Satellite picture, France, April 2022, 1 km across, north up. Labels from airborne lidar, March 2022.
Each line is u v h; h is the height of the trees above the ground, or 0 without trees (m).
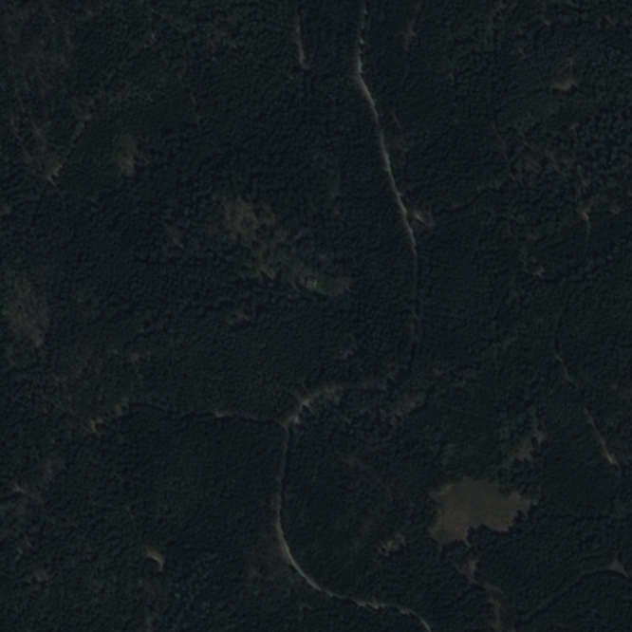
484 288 23
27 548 22
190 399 26
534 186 28
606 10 30
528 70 24
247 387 25
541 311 29
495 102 24
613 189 30
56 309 26
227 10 8
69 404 22
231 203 18
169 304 23
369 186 16
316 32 17
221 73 26
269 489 24
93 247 26
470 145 25
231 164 24
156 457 17
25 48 20
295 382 26
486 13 26
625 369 16
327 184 32
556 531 27
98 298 29
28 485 21
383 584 17
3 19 24
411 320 30
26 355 10
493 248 20
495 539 29
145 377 20
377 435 28
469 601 24
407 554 26
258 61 26
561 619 25
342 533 18
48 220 30
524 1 9
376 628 22
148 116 13
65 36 21
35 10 21
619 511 23
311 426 22
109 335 24
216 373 24
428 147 22
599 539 22
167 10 27
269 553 22
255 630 20
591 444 21
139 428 32
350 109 18
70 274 26
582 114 11
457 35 26
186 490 19
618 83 28
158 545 26
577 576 24
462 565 29
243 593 17
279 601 14
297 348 30
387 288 26
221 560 19
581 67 21
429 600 19
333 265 25
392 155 13
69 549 26
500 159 31
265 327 28
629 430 18
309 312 28
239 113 23
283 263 34
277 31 30
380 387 23
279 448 23
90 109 16
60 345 20
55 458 23
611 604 27
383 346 28
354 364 33
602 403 22
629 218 10
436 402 23
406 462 23
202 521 21
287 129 29
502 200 24
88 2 22
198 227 33
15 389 23
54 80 22
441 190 29
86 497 23
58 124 21
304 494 25
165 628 17
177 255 33
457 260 22
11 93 22
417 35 16
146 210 31
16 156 17
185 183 21
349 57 14
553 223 33
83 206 14
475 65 20
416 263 26
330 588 16
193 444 22
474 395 14
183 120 14
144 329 23
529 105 23
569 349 29
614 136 29
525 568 27
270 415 27
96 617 27
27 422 23
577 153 22
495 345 27
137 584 15
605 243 13
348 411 24
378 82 15
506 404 11
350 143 23
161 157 28
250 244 11
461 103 23
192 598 26
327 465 24
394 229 22
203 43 13
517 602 22
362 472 24
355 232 24
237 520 18
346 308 27
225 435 25
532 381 15
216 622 18
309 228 21
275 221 25
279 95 26
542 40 26
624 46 18
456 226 22
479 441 13
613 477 23
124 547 30
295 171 42
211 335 27
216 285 26
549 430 24
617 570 0
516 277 17
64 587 23
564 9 18
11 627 21
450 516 0
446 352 20
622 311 18
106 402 19
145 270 31
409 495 22
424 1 19
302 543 20
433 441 12
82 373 22
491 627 21
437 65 24
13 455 26
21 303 25
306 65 14
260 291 33
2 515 24
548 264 9
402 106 18
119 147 16
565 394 26
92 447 27
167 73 12
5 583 20
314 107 30
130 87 14
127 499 34
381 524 19
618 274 19
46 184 20
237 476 23
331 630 23
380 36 11
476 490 0
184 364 25
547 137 18
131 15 25
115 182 12
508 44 14
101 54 23
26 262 24
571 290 26
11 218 0
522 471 24
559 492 20
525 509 0
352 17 16
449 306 23
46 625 25
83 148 10
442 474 19
